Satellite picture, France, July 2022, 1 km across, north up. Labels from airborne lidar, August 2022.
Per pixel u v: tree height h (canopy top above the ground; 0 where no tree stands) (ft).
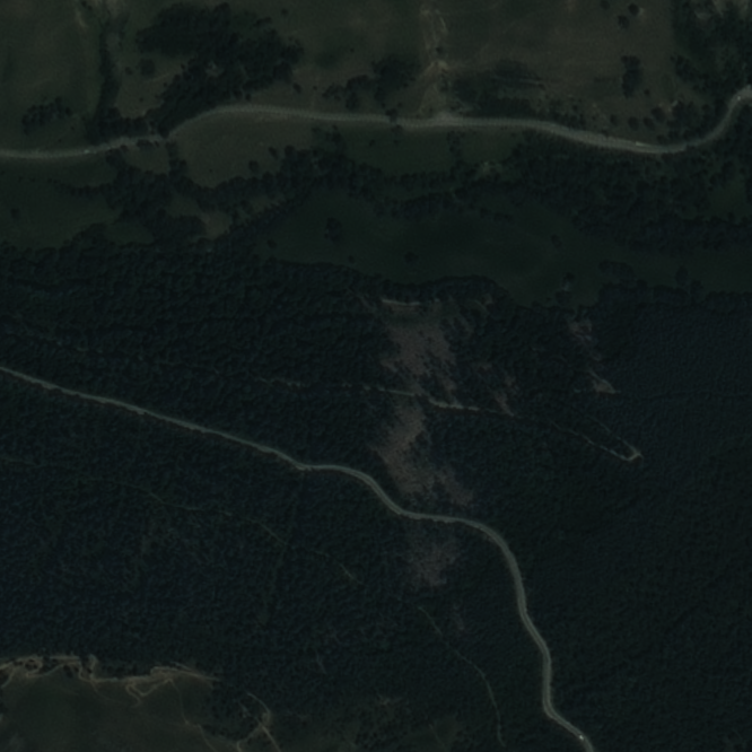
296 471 50
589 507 76
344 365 80
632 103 0
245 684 34
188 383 81
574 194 84
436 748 0
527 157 25
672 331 64
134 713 0
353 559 69
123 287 83
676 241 84
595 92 0
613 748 61
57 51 0
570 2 0
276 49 38
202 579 53
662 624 40
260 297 68
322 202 0
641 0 0
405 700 19
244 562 60
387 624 20
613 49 0
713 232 73
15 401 74
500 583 57
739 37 32
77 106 0
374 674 34
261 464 23
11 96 0
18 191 0
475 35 0
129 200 22
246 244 59
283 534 32
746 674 41
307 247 0
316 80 0
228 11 50
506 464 55
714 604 38
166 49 27
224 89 20
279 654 55
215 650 37
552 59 0
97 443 21
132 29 0
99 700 0
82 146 0
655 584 64
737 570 74
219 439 66
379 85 27
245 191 79
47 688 0
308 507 36
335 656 50
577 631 37
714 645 49
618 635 37
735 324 70
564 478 71
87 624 38
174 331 84
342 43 0
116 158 59
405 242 0
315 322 67
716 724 43
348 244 0
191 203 0
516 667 38
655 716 50
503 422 68
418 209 71
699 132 50
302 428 87
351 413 70
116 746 0
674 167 75
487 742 45
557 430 96
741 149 30
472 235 0
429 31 0
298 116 0
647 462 33
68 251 68
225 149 0
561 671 53
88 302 65
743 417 52
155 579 64
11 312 81
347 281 71
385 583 59
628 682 40
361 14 0
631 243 25
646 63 0
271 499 67
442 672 40
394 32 0
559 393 61
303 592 45
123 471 35
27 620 36
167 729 0
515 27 0
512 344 73
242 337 84
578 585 55
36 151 0
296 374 77
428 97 0
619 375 52
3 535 87
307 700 36
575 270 0
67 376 83
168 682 0
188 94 26
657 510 52
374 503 66
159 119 26
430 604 56
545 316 45
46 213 0
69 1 0
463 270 0
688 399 51
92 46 0
